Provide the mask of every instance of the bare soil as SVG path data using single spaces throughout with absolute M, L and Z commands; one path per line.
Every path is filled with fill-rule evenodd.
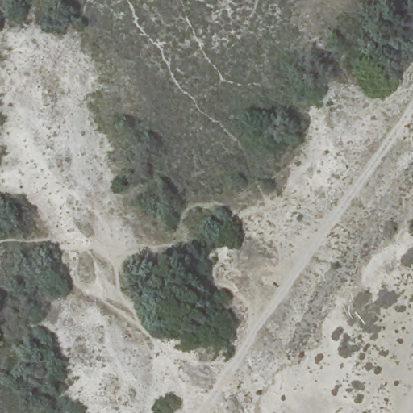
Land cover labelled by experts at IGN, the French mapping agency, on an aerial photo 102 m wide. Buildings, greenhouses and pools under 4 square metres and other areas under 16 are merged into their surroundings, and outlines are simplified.
M 152 413 L 156 398 L 166 394 L 181 397 L 182 403 L 192 408 L 194 403 L 203 403 L 203 397 L 215 386 L 215 374 L 210 366 L 198 366 L 198 361 L 192 350 L 182 352 L 174 348 L 179 344 L 179 340 L 153 337 L 140 323 L 131 298 L 121 292 L 119 273 L 123 271 L 123 263 L 127 258 L 140 252 L 131 227 L 123 226 L 118 216 L 108 215 L 108 202 L 116 198 L 115 192 L 111 190 L 113 174 L 108 168 L 106 156 L 111 150 L 111 145 L 106 134 L 97 131 L 97 124 L 94 123 L 92 113 L 87 108 L 90 102 L 94 102 L 90 92 L 94 92 L 92 84 L 97 81 L 97 71 L 90 55 L 81 52 L 81 40 L 71 39 L 66 34 L 58 37 L 47 34 L 40 31 L 39 26 L 35 24 L 29 24 L 27 29 L 13 27 L 11 31 L 0 31 L 0 192 L 26 195 L 27 200 L 37 206 L 40 218 L 47 224 L 48 231 L 58 239 L 56 242 L 63 250 L 61 261 L 68 265 L 74 289 L 68 297 L 53 300 L 52 308 L 48 311 L 47 318 L 42 321 L 42 326 L 55 332 L 58 337 L 61 352 L 69 360 L 69 373 L 65 381 L 69 387 L 68 395 L 73 400 L 84 403 L 87 407 L 86 413 Z
M 277 305 L 276 311 L 266 319 L 258 331 L 257 340 L 253 342 L 250 350 L 260 350 L 261 357 L 268 357 L 269 363 L 277 358 L 298 358 L 300 363 L 277 374 L 276 384 L 266 394 L 263 394 L 263 390 L 257 390 L 257 395 L 261 395 L 261 413 L 413 413 L 413 163 L 405 169 L 398 166 L 400 156 L 405 155 L 403 148 L 407 142 L 400 139 L 397 140 L 397 144 L 392 145 L 389 152 L 382 156 L 378 168 L 368 177 L 358 197 L 353 198 L 350 206 L 344 211 L 339 223 L 331 227 L 326 245 L 319 245 L 316 248 L 307 268 L 303 269 L 303 273 L 290 287 L 286 300 Z
M 247 321 L 250 316 L 260 315 L 271 297 L 276 294 L 279 282 L 265 284 L 261 279 L 273 276 L 265 265 L 268 263 L 277 266 L 277 252 L 282 250 L 284 239 L 300 236 L 303 229 L 311 224 L 321 224 L 321 218 L 329 215 L 332 208 L 339 205 L 340 198 L 344 197 L 348 187 L 353 186 L 355 179 L 363 173 L 371 156 L 389 136 L 398 119 L 402 118 L 403 111 L 407 110 L 408 106 L 413 110 L 413 68 L 405 68 L 402 84 L 386 98 L 366 97 L 355 84 L 350 86 L 336 81 L 331 82 L 327 94 L 323 97 L 323 106 L 310 108 L 310 127 L 305 136 L 305 144 L 302 145 L 300 156 L 294 156 L 290 161 L 290 176 L 281 197 L 271 200 L 266 194 L 265 206 L 250 206 L 247 210 L 240 211 L 239 216 L 244 223 L 244 242 L 240 248 L 218 248 L 218 261 L 213 266 L 213 282 L 216 287 L 231 290 L 232 308 L 236 311 L 240 323 Z

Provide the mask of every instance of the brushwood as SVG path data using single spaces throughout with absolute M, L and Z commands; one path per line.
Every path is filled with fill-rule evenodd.
M 13 27 L 27 29 L 29 24 L 35 24 L 39 26 L 40 31 L 47 34 L 58 37 L 66 34 L 68 31 L 79 32 L 89 26 L 89 18 L 82 15 L 81 6 L 84 0 L 0 0 L 0 31 L 11 31 Z
M 3 244 L 0 266 L 0 271 L 8 273 L 5 279 L 6 302 L 2 310 L 5 323 L 0 331 L 0 386 L 10 390 L 19 410 L 24 413 L 86 413 L 87 407 L 84 403 L 73 400 L 68 395 L 69 387 L 65 381 L 69 373 L 69 360 L 61 352 L 58 337 L 55 332 L 42 326 L 42 321 L 47 318 L 48 311 L 52 308 L 53 300 L 68 297 L 74 289 L 68 265 L 61 261 L 63 250 L 56 242 Z
M 176 413 L 182 407 L 182 403 L 181 397 L 166 394 L 156 398 L 152 413 Z
M 15 226 L 16 218 L 10 205 L 3 202 L 0 197 L 0 239 L 11 237 L 10 227 Z

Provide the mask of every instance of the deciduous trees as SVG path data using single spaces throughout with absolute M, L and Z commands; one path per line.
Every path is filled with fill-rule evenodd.
M 216 287 L 213 282 L 213 266 L 218 261 L 218 248 L 240 248 L 244 242 L 244 223 L 239 216 L 232 215 L 229 206 L 216 206 L 211 210 L 195 208 L 186 218 L 190 242 L 174 245 L 163 252 L 153 253 L 145 248 L 140 252 L 127 258 L 123 263 L 123 271 L 119 273 L 121 292 L 131 298 L 140 323 L 153 337 L 179 340 L 179 344 L 174 348 L 182 352 L 192 350 L 198 361 L 215 361 L 218 357 L 226 358 L 226 361 L 231 360 L 236 353 L 234 340 L 240 323 L 236 311 L 232 308 L 231 290 Z

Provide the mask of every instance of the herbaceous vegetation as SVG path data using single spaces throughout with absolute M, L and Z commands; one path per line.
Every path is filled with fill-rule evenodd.
M 26 195 L 0 192 L 0 197 L 3 202 L 10 205 L 16 218 L 15 226 L 10 227 L 11 237 L 0 239 L 0 266 L 3 244 L 56 242 L 58 239 L 48 231 L 47 224 L 40 218 L 37 206 L 27 200 Z
M 10 390 L 0 386 L 0 413 L 24 413 L 19 410 Z
M 0 271 L 0 331 L 5 323 L 2 310 L 6 302 L 5 279 L 8 273 Z
M 131 227 L 140 252 L 145 248 L 153 253 L 163 252 L 174 245 L 190 242 L 186 218 L 195 208 L 211 210 L 216 206 L 229 206 L 232 215 L 239 216 L 240 211 L 247 210 L 250 206 L 265 206 L 266 194 L 271 200 L 281 197 L 290 176 L 290 161 L 294 156 L 300 156 L 302 145 L 305 144 L 305 136 L 310 127 L 310 108 L 323 106 L 323 97 L 327 94 L 331 82 L 336 81 L 350 86 L 355 84 L 366 97 L 386 98 L 402 84 L 405 68 L 413 68 L 413 0 L 84 0 L 81 6 L 82 15 L 89 18 L 89 26 L 79 32 L 68 31 L 66 34 L 71 39 L 81 40 L 81 52 L 90 55 L 97 71 L 97 81 L 92 84 L 94 92 L 90 92 L 94 102 L 90 102 L 87 108 L 92 113 L 94 123 L 97 124 L 97 131 L 106 134 L 111 145 L 111 150 L 106 156 L 108 168 L 113 174 L 111 190 L 115 192 L 116 198 L 108 202 L 108 215 L 118 216 L 123 226 Z

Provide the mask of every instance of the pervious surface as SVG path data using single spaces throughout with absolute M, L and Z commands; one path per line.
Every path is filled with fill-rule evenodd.
M 405 169 L 413 163 L 413 110 L 408 106 L 407 110 L 403 111 L 402 118 L 398 119 L 389 136 L 371 156 L 363 173 L 355 179 L 353 186 L 348 187 L 344 197 L 340 198 L 339 205 L 332 208 L 329 215 L 321 218 L 321 224 L 311 224 L 303 229 L 300 236 L 284 239 L 282 250 L 277 252 L 277 266 L 268 263 L 265 265 L 273 276 L 261 279 L 265 284 L 279 282 L 276 294 L 271 297 L 260 315 L 250 316 L 247 321 L 240 323 L 234 340 L 236 353 L 231 360 L 226 361 L 226 358 L 218 357 L 215 361 L 198 361 L 198 366 L 210 366 L 215 374 L 215 386 L 203 397 L 203 403 L 194 403 L 192 408 L 182 403 L 182 407 L 176 413 L 261 413 L 261 395 L 257 395 L 257 390 L 263 390 L 263 394 L 266 394 L 276 384 L 277 374 L 300 363 L 298 358 L 277 358 L 269 363 L 268 357 L 261 357 L 260 350 L 250 350 L 253 342 L 257 340 L 258 331 L 266 319 L 276 311 L 277 305 L 286 300 L 290 287 L 303 273 L 303 269 L 307 268 L 316 248 L 319 245 L 326 245 L 331 227 L 339 223 L 344 211 L 350 206 L 353 198 L 358 197 L 368 177 L 378 168 L 382 156 L 389 152 L 392 145 L 397 144 L 397 140 L 400 139 L 407 142 L 403 148 L 405 155 L 400 156 L 398 166 Z

